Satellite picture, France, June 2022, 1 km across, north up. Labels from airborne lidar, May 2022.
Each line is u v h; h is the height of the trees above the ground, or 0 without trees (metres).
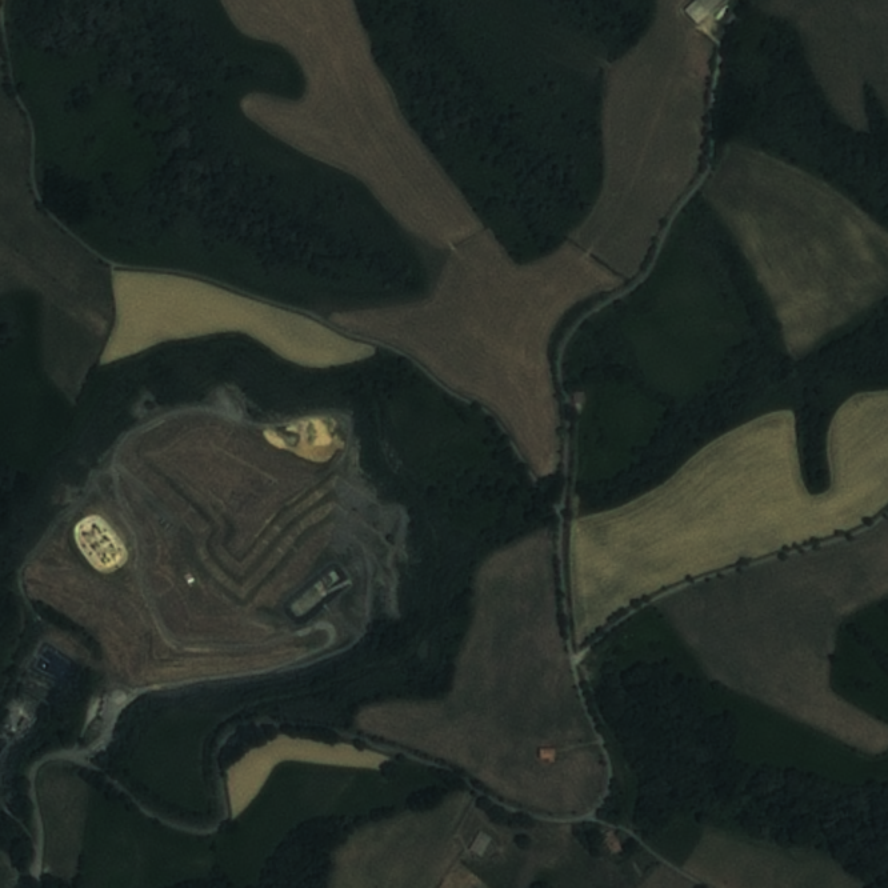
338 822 13
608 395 0
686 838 0
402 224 0
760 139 7
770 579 0
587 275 0
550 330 0
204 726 0
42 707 7
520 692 0
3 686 7
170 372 8
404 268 7
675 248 0
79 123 0
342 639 0
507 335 0
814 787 20
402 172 0
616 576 0
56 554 0
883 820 21
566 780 0
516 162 7
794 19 0
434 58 6
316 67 0
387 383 11
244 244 12
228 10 0
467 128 13
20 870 21
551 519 9
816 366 13
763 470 0
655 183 0
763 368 7
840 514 0
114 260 0
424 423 0
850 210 0
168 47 14
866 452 0
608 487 12
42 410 0
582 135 8
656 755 20
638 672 16
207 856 0
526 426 0
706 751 24
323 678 9
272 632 0
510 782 0
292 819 0
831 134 9
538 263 0
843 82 0
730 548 0
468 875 0
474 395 0
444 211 0
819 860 0
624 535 0
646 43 0
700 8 0
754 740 0
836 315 0
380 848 0
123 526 0
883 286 0
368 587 0
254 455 0
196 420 0
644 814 21
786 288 0
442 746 0
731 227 0
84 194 14
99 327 0
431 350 0
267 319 0
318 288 0
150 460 0
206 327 0
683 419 14
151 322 0
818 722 0
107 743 0
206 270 0
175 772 0
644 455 10
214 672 0
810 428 11
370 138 0
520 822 16
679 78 0
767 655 0
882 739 0
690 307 0
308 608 0
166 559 0
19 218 0
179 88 17
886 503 0
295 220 7
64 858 0
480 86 9
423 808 19
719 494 0
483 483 6
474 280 0
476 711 0
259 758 0
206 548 0
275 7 0
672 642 0
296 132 0
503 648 0
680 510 0
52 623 7
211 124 6
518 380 0
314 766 0
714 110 8
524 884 0
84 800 0
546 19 0
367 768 0
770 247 0
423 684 6
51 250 0
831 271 0
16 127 0
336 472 0
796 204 0
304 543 0
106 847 0
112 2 22
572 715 0
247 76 8
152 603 0
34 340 0
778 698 0
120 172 0
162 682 0
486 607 0
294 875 15
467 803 0
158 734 0
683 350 0
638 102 0
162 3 7
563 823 0
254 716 8
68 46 16
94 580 0
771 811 21
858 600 0
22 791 16
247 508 0
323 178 0
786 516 0
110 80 17
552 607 0
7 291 0
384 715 0
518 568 0
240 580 0
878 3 0
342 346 0
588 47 0
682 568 0
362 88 0
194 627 0
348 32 0
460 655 0
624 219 0
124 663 0
